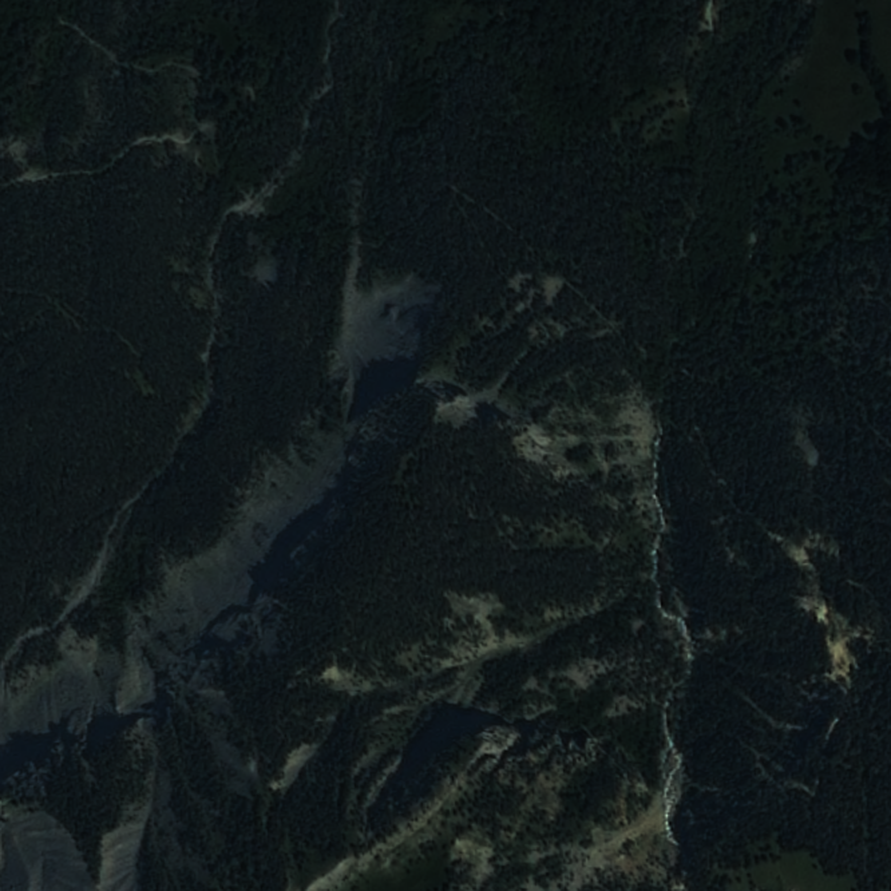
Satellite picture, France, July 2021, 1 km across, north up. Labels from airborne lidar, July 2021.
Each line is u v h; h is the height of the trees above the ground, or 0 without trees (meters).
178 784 8
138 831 0
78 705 0
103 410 9
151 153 10
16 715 0
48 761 8
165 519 14
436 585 14
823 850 13
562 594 13
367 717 10
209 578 0
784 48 9
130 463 13
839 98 0
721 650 8
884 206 10
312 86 10
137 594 8
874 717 13
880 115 0
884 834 15
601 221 8
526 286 11
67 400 11
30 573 7
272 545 0
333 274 11
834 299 20
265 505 0
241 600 0
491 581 11
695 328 9
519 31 15
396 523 15
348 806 8
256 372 11
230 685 10
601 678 8
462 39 8
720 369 13
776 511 16
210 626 0
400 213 13
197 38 8
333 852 8
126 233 13
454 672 9
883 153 24
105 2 11
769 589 15
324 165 6
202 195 15
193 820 8
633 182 12
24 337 8
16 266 10
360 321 0
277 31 19
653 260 9
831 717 7
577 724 8
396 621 13
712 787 9
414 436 7
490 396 0
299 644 10
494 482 14
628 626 9
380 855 7
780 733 9
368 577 12
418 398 6
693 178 11
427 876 0
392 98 14
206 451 14
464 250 13
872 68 19
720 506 9
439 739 0
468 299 15
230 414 15
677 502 11
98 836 9
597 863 0
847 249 13
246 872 14
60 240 12
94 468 12
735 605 16
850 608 14
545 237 16
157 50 11
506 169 14
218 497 14
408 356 0
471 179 13
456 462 15
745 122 12
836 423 6
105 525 10
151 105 12
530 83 11
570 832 6
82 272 13
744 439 14
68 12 11
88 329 11
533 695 8
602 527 13
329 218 8
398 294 0
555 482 9
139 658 0
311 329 8
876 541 18
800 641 10
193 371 13
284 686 11
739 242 13
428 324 7
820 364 10
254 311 10
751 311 22
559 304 12
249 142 9
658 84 11
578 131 11
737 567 11
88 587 0
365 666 9
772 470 11
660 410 10
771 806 9
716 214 13
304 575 7
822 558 10
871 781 13
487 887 9
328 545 10
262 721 13
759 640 10
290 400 12
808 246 9
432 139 16
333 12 9
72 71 7
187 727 8
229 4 10
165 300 12
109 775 11
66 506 13
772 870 0
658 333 19
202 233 5
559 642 11
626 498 7
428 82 10
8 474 13
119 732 9
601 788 14
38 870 0
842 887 0
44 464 16
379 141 11
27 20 12
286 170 10
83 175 11
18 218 11
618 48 16
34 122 7
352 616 9
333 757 11
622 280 17
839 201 8
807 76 0
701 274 15
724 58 13
